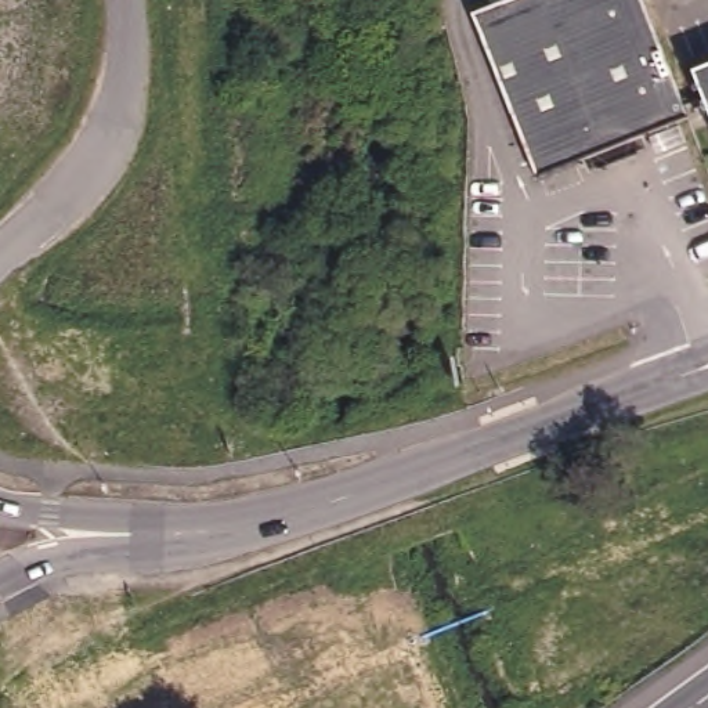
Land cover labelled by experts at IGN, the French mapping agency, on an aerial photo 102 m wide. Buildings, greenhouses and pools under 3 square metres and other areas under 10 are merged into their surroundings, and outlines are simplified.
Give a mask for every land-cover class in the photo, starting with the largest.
<instances>
[{"label":"herbaceous vegetation","instance_id":"1","mask_svg":"<svg viewBox=\"0 0 708 708\"><path fill-rule=\"evenodd\" d=\"M111 0H0V218L44 174V169L55 160V155L69 144L72 133L77 130L97 80L105 44V6ZM149 25L147 119L127 171L83 227H77L69 238L47 249L41 257L14 268L11 277L0 282V451L22 459H55L72 465L199 467L238 462L246 456H263L288 448L274 429L238 418L227 398V362L235 360L238 351L232 348L230 337H224L216 310L235 279L230 252L235 249V243L257 246L260 227L290 224L299 213H304L307 196L318 180L343 177L351 169L354 152L340 147L324 149L318 160L299 166L296 155L285 147L282 127L290 102L301 100L299 80H227L218 94L210 91V72L224 66L227 19L235 14L257 22L263 0H144ZM14 357L22 365H44L50 360L61 362V379H44L36 384V395L64 401L66 415L55 420L58 431L64 434L61 445H53L50 440L33 434L30 426L11 412L19 387L14 384L6 362ZM415 401V412L420 415V420L465 409L462 393H456L451 376L443 371L437 379L420 382L407 393ZM650 440L647 448L639 454V462L628 470V478L617 481L620 503L614 506L600 503L595 512H578L572 506L559 503L550 495L548 484L539 478L537 465L531 462L512 467L506 473H498L492 467L470 473L434 492L418 495L420 506L412 512L379 520L373 525H365L335 539H324L318 545L288 553L268 564L241 570L221 581L202 584L185 595L177 586H122V592H105L91 597L53 595L50 600H44L50 606V625L61 614L94 617L113 608H124V622L113 625L111 633H89L72 655L66 653L61 661L53 664V672L64 675L83 672L89 664H97L108 653H160L169 647V639L174 636H183L199 625H210L232 614L254 611L257 606L279 595L310 592L318 586H326L335 595H371L376 589L409 592L426 625L429 672L437 678L445 694V708H608L622 691L636 686L633 678L642 669H650L655 661L667 664L672 647L683 644L689 636L708 633V393L653 409L642 415V423ZM254 644L266 653L268 669L257 675L252 683L230 691L238 705L254 700L263 708H423L415 702H404L398 697V686L415 683V672L409 664L395 661L387 667L360 669L351 678H337L335 683H329L326 675H321L315 667L321 653L315 650V633L288 628L282 633H254ZM6 633L0 631V708H14L11 700L19 694L25 683H30V675L28 669L19 672L6 661ZM149 686H158L144 669L113 689L116 702L138 700Z\"/></svg>","mask_w":708,"mask_h":708},{"label":"impervious surface","instance_id":"2","mask_svg":"<svg viewBox=\"0 0 708 708\"><path fill-rule=\"evenodd\" d=\"M149 25L144 0H111L105 6V44L97 80L77 130L72 133L69 144L55 155V160L44 169V174L0 218V282L11 277L14 268L41 257L47 249L69 238L77 227H83L127 171L147 119ZM490 0H445L443 22L467 111L465 194V346L456 348V354H451V376L456 393H462L465 409L420 420L395 429L329 440L321 445L288 448L263 456H246L238 462L199 467L72 465L55 459H22L0 451V622L44 600H50L53 595L91 597L105 592H122V586H177L185 595L202 584L221 581L241 570L268 564L288 553L318 545L324 539H335L365 525H373L379 520L412 512L420 506L418 495L434 492L470 473L492 467L498 473H506L512 467L531 462L537 456L553 459L559 454H578L589 443L606 437L603 426L642 423V415L653 409L708 393V127H697L689 119H680L678 124L655 136L631 138L628 144H639L642 149L606 169L575 163L548 177L539 174L537 180H525L517 149L509 144L506 124L498 113L484 66L478 61L470 36V22L465 17L470 8H478ZM642 17L650 30L655 53H664L669 66L678 64L680 69L683 102L700 105V97L691 83V66L708 61V0H644ZM667 664L655 661L650 669H642L633 678L636 686L622 691L608 708H708V633L689 636L683 644L672 647Z\"/></svg>","mask_w":708,"mask_h":708},{"label":"deciduous trees","instance_id":"3","mask_svg":"<svg viewBox=\"0 0 708 708\"><path fill-rule=\"evenodd\" d=\"M445 0H263L257 22L235 14L227 19L224 66L210 72V91L218 94L227 80H299L301 100H337L340 122H371V130H382V141L368 147V177L351 169L343 177L318 180L307 196L304 213H299L290 224L260 227L257 246L235 243V249L230 252L235 279L216 310L224 337H230L232 348L238 351L235 360L227 362V398L238 418L274 429L290 404L307 407L310 395L337 398L335 412L346 418L351 407L393 401L407 393L420 382L437 379L443 371L451 376V354L445 351L443 337L420 340L418 329L426 321L443 315V304L434 301V290L445 279V252L434 243L431 221L465 194L467 111L443 22ZM606 437L589 443L578 454H559L553 459L537 456L531 462L537 465L539 478L548 484L550 495L559 503L572 506L578 512H595L600 503L614 506L620 503L617 481L628 478V470L639 462V454L647 448L650 440L642 423L603 426Z\"/></svg>","mask_w":708,"mask_h":708},{"label":"pervious surface","instance_id":"4","mask_svg":"<svg viewBox=\"0 0 708 708\"><path fill-rule=\"evenodd\" d=\"M14 384L19 387L11 412L30 426L33 434L50 440L53 445H61L64 434L58 431L55 420L66 415L64 401L36 395V384L44 379H61V362L50 360L44 365H22L14 357L6 362ZM50 606L44 600L0 622V631L6 633V661L19 672L28 669L30 675V683H25L19 694L11 700L14 708H263L254 700L238 705L230 691L252 683L257 675L268 669L266 653L254 644V633H282L288 628L315 633V650L321 653L315 667L321 675H326L329 683H335L337 678H351L360 669L387 667L395 661L409 664L415 672V683L398 686V697L404 702H415L423 708H445V694L437 678L429 672L426 625L409 592L376 589L371 595H335L326 586H318L310 592L279 595L257 606L254 611L232 614L210 625H199L183 636H174L169 639V647L160 653H108L97 664H89L83 672L64 675L53 672V664L61 661L66 653L72 655L89 633H111L113 625L124 622V608H113L94 617L61 614L50 625ZM144 669L158 686H149L138 700L116 702L113 689Z\"/></svg>","mask_w":708,"mask_h":708},{"label":"building","instance_id":"5","mask_svg":"<svg viewBox=\"0 0 708 708\"><path fill-rule=\"evenodd\" d=\"M644 0H490L478 8H470L465 17L470 22V36L478 61L484 66L498 113L506 124L509 144L517 149L525 180H537L539 174L548 177L575 163L606 169L642 149L639 144H628L631 138L655 136L678 124L680 119H689L697 127H708V61L691 66V83L700 97V105L683 102L680 69L678 64L669 66L664 53H655L650 30L642 17Z\"/></svg>","mask_w":708,"mask_h":708},{"label":"brushwood","instance_id":"6","mask_svg":"<svg viewBox=\"0 0 708 708\"><path fill-rule=\"evenodd\" d=\"M285 147L296 155L299 166L318 160L324 149L340 147L354 152L351 169L368 177V147L382 141V130H371V122H340L337 100H301L290 102L282 127ZM465 194L431 221L434 243L445 252V279L434 290V301L443 304V315L426 321L418 329L420 340L443 337L445 351L451 354H456V348L465 346ZM337 398L310 395L307 407L290 404L274 429L288 448L321 445L329 440L395 429L420 420V415L415 412V401L407 393L393 401L351 407L346 418L335 412Z\"/></svg>","mask_w":708,"mask_h":708}]
</instances>
